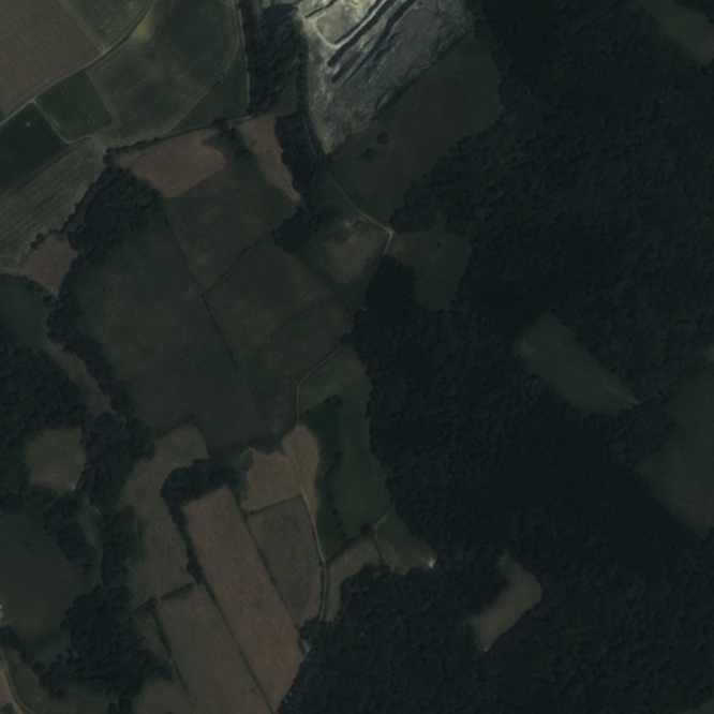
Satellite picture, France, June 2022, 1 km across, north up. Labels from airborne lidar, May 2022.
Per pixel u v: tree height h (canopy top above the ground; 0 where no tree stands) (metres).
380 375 11
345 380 0
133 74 0
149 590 0
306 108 16
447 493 20
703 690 24
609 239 22
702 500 0
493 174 27
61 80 0
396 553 0
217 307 0
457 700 25
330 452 0
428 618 28
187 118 0
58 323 20
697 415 0
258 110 14
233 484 16
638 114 28
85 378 0
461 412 25
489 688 21
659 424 30
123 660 25
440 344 29
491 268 17
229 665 0
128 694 16
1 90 0
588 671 13
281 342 0
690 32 0
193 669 0
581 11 20
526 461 18
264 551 0
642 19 25
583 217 28
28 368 29
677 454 0
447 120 0
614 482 21
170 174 0
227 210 0
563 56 13
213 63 0
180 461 0
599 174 30
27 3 0
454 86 0
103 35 0
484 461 28
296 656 0
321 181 18
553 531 8
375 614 20
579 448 16
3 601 0
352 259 0
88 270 9
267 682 0
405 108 0
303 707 17
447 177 20
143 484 0
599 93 28
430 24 0
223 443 0
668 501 0
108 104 0
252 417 0
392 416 17
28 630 0
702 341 27
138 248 0
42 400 25
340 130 0
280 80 17
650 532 17
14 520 0
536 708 23
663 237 19
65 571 0
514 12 24
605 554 22
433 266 0
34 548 0
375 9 0
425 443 20
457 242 0
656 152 26
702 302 25
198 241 0
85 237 22
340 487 0
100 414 0
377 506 0
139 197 18
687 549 22
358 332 17
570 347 0
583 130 23
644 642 25
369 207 0
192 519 0
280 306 0
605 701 28
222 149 0
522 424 21
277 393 0
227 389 0
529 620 18
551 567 9
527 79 23
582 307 18
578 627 26
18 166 0
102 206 22
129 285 0
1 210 0
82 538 21
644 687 22
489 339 28
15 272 0
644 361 26
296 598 0
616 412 0
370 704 30
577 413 12
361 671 26
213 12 0
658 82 28
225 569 0
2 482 24
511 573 0
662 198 23
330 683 25
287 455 0
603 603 29
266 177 0
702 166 28
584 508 21
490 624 0
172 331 0
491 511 16
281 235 12
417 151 0
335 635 20
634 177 25
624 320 27
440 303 0
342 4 0
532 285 19
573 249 19
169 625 0
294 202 0
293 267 0
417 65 0
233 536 0
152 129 0
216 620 0
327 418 0
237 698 0
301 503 0
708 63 0
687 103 32
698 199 28
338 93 0
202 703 0
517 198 32
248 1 8
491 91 0
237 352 0
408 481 24
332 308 0
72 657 18
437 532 19
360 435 0
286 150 21
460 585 19
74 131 0
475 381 24
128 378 0
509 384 27
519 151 21
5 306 0
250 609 0
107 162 13
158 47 0
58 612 0
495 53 10
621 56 23
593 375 0
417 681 26
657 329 30
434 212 28
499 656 17
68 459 0
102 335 0
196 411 0
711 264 23
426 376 16
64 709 0
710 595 20
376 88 0
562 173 10
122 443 18
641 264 24
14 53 0
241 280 0
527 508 27
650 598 29
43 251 0
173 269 0
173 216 0
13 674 0
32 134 0
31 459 0
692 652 28
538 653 30
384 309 18
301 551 0
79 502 6
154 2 0
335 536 0
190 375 0
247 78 0
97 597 15
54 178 0
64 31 0
